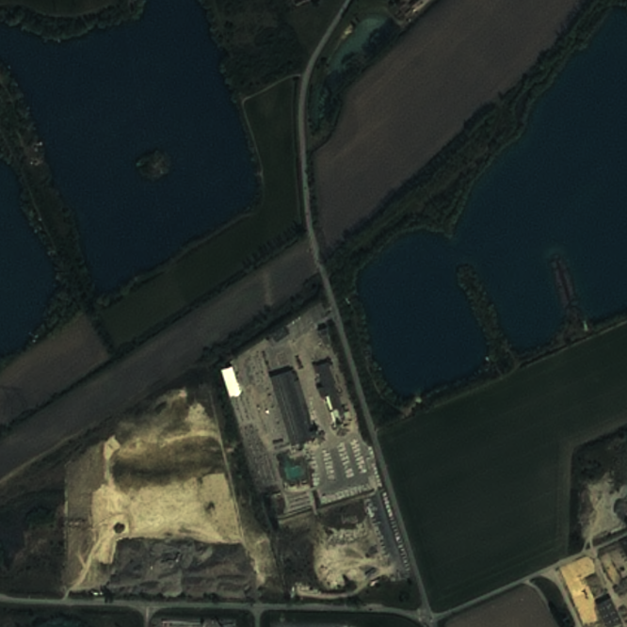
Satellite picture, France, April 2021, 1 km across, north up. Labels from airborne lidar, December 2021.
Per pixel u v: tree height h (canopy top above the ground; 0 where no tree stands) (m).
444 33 0
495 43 0
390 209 21
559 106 0
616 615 0
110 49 0
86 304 18
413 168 0
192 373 0
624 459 0
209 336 0
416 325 0
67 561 0
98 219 0
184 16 0
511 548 0
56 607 0
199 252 0
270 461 0
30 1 0
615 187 0
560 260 7
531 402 0
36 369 0
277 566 0
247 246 0
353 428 0
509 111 9
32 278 0
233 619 0
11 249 0
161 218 0
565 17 0
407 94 0
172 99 0
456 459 0
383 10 0
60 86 0
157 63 0
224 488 0
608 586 0
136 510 0
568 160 0
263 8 0
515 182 0
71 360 0
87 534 0
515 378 0
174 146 0
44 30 16
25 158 8
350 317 14
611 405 0
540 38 0
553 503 0
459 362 0
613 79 0
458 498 0
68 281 5
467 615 0
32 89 0
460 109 0
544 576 0
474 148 22
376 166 0
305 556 0
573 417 0
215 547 0
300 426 0
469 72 0
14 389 0
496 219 0
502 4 0
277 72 8
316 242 0
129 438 0
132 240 0
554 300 0
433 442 0
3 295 0
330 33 0
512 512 0
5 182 0
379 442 0
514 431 0
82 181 0
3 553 6
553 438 0
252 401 0
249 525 0
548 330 0
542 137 0
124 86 0
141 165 6
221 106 0
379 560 0
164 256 0
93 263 0
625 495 0
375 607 0
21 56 0
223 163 0
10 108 6
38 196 7
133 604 0
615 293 0
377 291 0
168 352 0
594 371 0
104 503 0
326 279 0
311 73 0
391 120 0
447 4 0
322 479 0
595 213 0
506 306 0
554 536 0
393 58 0
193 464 0
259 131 0
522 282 0
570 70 0
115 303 15
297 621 0
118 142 0
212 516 0
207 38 0
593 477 9
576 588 0
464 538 0
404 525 0
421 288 0
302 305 7
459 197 12
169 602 0
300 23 0
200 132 0
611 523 0
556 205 0
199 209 0
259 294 0
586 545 0
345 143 0
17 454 0
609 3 11
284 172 0
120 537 0
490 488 0
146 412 0
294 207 0
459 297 0
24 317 0
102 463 0
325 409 0
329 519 0
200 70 0
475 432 0
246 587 0
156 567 0
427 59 0
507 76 0
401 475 0
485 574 0
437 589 0
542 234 0
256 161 0
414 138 0
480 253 0
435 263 0
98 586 0
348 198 0
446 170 22
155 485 0
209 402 0
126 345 9
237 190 0
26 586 0
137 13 13
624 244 0
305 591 0
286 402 0
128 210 0
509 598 0
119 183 0
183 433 0
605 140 0
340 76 0
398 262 0
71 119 0
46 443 0
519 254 0
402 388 0
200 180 0
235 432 9
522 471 0
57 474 0
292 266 0
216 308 0
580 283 0
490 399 0
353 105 0
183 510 0
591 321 10
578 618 0
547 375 0
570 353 0
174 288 0
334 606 0
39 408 7
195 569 0
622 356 0
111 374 0
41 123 0
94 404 0
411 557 0
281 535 0
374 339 0
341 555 0
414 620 0
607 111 0
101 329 12
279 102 0
